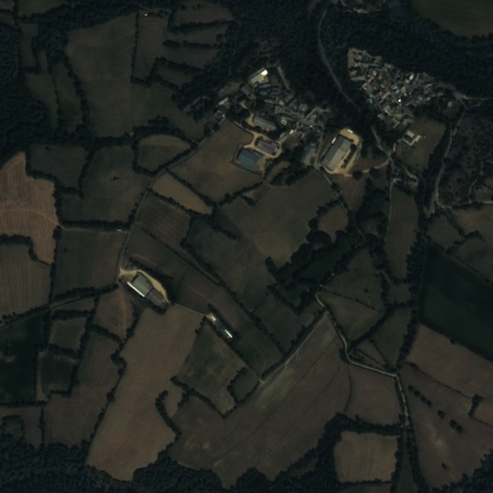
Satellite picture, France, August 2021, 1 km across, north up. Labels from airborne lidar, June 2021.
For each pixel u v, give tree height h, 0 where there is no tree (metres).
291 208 0
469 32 0
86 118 13
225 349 0
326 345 0
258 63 9
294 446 0
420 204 18
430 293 0
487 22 0
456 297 0
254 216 0
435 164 12
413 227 0
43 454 13
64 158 0
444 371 0
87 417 0
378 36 14
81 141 11
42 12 0
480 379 0
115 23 0
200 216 11
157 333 0
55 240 12
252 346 0
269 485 11
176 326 0
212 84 8
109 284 0
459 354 0
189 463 0
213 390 0
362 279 0
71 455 11
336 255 0
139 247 0
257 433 0
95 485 13
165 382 0
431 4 0
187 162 0
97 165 0
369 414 0
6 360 0
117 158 0
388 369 6
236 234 0
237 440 0
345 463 0
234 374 0
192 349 0
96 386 0
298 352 0
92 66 0
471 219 0
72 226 9
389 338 0
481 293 0
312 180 0
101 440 0
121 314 0
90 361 0
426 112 14
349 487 10
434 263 0
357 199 0
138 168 14
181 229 0
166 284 12
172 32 8
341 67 10
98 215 0
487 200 0
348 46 7
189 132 0
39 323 0
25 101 16
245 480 13
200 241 0
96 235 0
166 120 7
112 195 0
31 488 12
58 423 0
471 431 0
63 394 11
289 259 0
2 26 8
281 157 9
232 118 10
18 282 0
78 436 0
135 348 0
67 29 11
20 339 0
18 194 0
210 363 0
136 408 0
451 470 0
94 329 16
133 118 0
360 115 11
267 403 0
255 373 0
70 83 0
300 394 0
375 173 16
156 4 8
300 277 11
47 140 11
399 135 8
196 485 12
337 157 0
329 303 0
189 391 13
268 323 0
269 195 0
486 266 0
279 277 13
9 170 0
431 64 15
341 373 0
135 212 9
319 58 9
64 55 11
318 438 0
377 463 0
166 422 10
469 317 0
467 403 0
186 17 0
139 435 0
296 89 10
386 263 14
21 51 8
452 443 0
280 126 8
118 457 0
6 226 0
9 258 0
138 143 11
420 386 0
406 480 0
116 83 0
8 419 11
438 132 0
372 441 0
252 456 0
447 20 0
